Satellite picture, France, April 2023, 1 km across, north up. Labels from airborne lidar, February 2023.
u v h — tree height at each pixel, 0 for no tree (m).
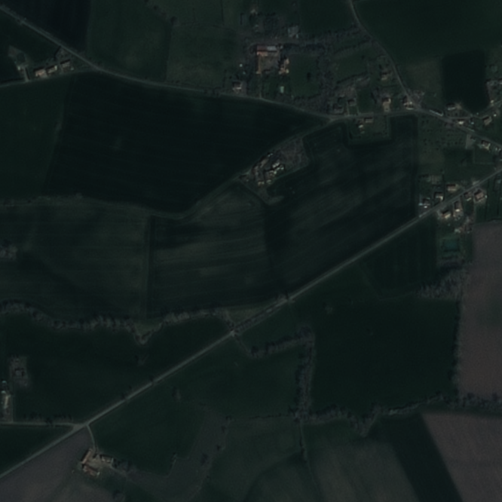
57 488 0
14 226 0
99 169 0
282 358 0
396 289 0
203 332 0
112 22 0
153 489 0
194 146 0
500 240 0
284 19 0
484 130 0
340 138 0
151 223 0
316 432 0
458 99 0
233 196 0
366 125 0
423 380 0
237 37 0
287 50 12
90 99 0
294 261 0
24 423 0
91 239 0
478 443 0
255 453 0
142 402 0
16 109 0
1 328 0
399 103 0
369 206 0
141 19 0
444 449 0
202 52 0
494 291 0
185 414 0
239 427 0
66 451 0
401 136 0
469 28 0
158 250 0
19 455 0
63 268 0
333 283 0
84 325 16
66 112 0
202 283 0
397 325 0
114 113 0
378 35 0
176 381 0
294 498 0
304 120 0
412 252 0
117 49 0
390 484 0
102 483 0
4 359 0
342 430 0
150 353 0
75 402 0
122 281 0
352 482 0
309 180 0
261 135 0
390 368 0
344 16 0
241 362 0
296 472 0
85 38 0
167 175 0
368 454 0
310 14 0
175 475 0
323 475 0
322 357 0
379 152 0
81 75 0
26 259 0
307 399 12
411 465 0
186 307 0
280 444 0
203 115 0
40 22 0
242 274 0
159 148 0
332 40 11
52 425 19
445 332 0
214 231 0
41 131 0
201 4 0
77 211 0
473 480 0
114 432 0
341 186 0
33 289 0
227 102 0
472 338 0
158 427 0
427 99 0
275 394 0
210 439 0
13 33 0
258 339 0
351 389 0
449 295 22
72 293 0
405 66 0
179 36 0
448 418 0
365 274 0
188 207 0
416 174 0
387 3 0
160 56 0
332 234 0
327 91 11
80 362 0
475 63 0
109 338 0
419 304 0
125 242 0
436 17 0
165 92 0
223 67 0
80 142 0
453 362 0
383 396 0
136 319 0
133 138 0
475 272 0
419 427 0
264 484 0
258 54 0
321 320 0
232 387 0
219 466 0
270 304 0
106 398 0
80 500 0
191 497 0
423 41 0
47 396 0
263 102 0
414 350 0
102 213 0
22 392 0
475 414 0
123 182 0
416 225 0
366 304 0
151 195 0
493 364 0
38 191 0
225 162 0
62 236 0
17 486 0
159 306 0
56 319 0
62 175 0
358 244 0
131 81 0
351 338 0
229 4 0
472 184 0
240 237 0
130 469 16
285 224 0
